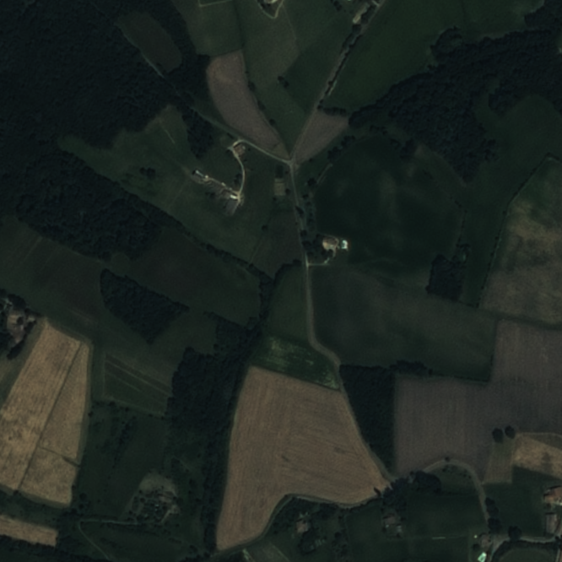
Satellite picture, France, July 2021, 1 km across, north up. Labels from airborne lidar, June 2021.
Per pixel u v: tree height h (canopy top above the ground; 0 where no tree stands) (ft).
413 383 0
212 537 43
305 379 0
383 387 43
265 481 0
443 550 0
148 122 25
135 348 0
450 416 0
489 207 0
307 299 0
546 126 0
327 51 0
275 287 37
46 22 60
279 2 0
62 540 26
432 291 53
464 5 0
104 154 0
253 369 0
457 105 47
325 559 0
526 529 0
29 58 64
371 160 0
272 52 0
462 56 78
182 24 58
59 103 56
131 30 0
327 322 0
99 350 0
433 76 68
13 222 0
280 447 0
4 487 0
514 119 0
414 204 0
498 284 0
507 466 0
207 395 27
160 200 0
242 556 0
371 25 0
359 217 0
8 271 0
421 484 70
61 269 0
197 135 59
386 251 0
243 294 0
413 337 0
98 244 42
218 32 0
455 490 0
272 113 0
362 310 0
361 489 0
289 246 0
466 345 0
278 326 0
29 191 72
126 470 0
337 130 0
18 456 0
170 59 0
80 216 83
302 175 0
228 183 0
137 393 0
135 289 49
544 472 0
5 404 0
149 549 0
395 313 0
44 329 0
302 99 0
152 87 48
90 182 65
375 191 0
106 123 50
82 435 0
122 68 52
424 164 0
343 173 0
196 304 0
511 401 0
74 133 58
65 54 40
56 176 86
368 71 0
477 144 73
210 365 48
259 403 0
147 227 52
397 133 0
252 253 0
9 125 74
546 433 0
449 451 0
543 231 0
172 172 0
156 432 0
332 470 0
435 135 57
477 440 0
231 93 0
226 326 41
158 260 0
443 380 0
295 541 0
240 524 0
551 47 71
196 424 38
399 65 0
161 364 0
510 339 0
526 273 0
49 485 0
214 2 0
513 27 0
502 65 85
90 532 0
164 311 73
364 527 0
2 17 52
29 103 82
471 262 0
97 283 0
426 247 0
